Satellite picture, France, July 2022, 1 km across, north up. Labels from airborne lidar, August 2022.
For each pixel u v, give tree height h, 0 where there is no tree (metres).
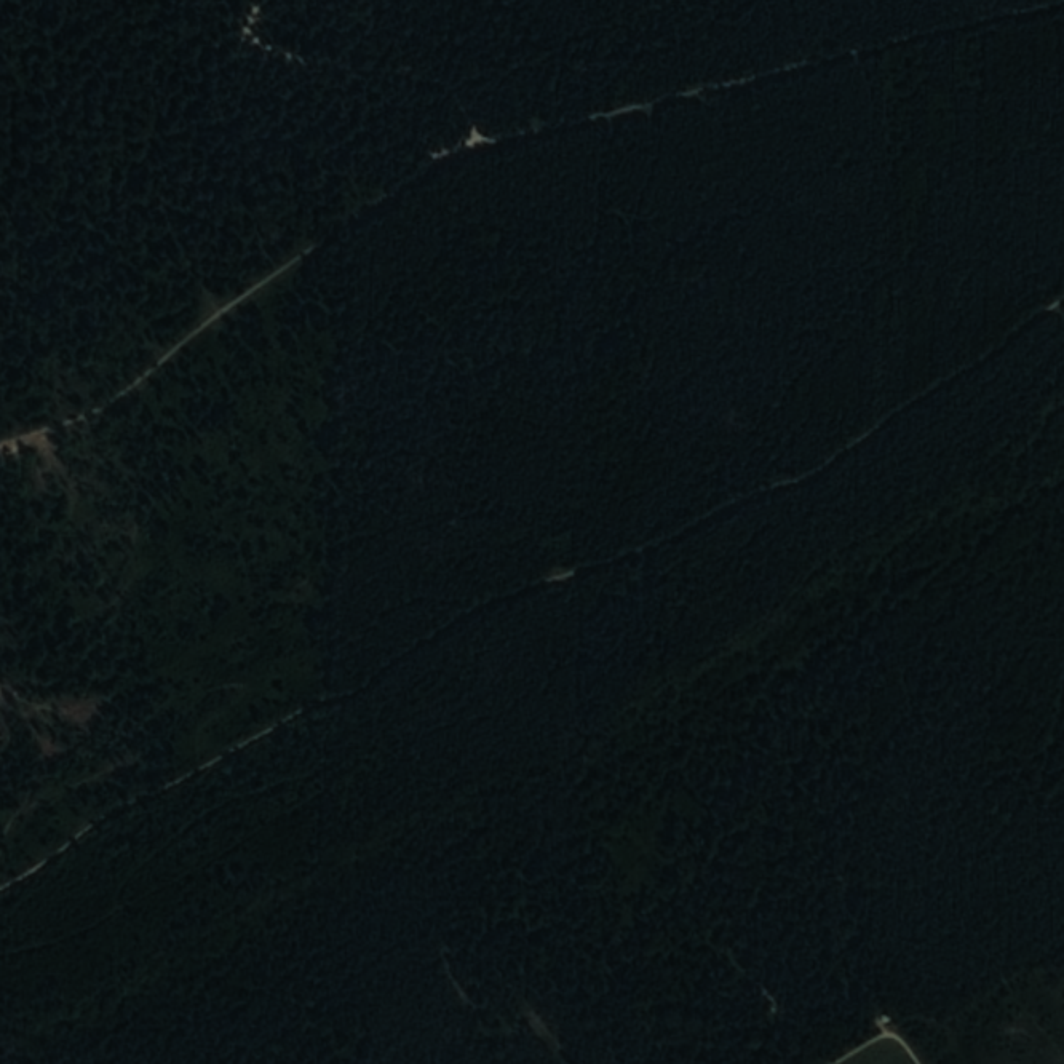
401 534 19
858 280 19
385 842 12
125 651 8
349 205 18
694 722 16
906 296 13
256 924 14
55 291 29
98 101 13
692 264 23
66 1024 24
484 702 18
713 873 21
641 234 18
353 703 19
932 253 16
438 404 30
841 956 9
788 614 12
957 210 14
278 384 8
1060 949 17
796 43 18
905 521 9
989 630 12
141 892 6
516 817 18
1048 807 21
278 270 0
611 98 23
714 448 12
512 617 15
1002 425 13
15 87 16
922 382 15
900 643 14
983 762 14
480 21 23
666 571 7
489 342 22
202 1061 17
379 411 27
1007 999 9
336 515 26
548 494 18
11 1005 11
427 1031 23
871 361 15
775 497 12
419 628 18
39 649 25
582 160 17
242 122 42
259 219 29
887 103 9
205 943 12
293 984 19
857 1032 10
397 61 25
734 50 18
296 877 11
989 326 14
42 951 6
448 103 25
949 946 13
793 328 18
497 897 20
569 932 17
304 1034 15
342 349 15
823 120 15
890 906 21
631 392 20
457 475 19
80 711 0
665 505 12
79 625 15
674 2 21
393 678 17
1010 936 14
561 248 26
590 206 21
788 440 6
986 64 14
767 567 12
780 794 21
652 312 21
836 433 10
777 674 9
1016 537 11
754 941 27
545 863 26
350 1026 20
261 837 6
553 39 23
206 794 8
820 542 11
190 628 15
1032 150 12
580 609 17
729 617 11
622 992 23
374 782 13
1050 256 13
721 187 12
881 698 15
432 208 20
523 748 15
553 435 19
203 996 24
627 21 18
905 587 19
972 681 18
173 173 31
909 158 12
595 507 16
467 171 20
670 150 14
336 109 28
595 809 18
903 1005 17
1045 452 11
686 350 21
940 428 11
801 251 21
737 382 21
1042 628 8
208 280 15
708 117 16
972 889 14
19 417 16
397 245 20
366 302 20
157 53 26
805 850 26
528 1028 20
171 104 21
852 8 18
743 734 8
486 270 25
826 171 19
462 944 17
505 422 20
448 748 18
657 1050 23
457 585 18
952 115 12
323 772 10
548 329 16
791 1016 24
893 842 21
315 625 16
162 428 13
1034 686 10
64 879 7
